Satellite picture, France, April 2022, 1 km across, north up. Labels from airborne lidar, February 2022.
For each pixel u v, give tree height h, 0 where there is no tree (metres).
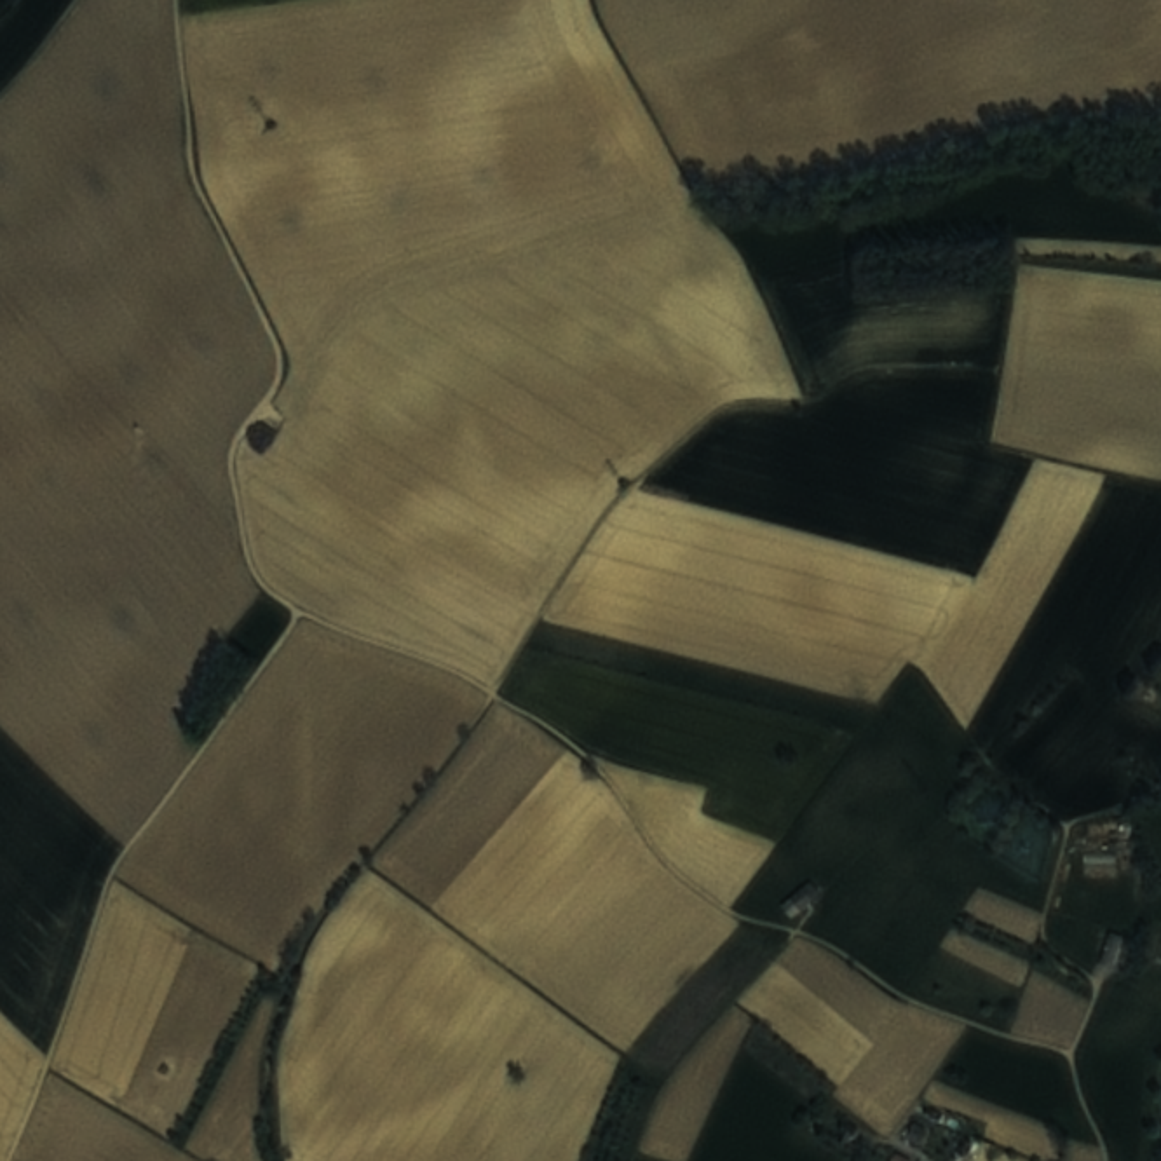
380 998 0
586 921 0
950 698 0
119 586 0
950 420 0
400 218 0
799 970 0
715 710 0
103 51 0
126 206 0
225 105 0
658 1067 0
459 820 0
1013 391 0
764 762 0
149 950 0
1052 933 0
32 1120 0
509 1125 0
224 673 21
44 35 0
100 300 0
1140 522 0
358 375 0
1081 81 0
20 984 0
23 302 0
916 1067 0
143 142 0
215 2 0
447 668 0
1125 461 0
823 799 0
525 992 0
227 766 0
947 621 0
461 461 0
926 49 0
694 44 0
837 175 32
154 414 0
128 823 0
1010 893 0
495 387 0
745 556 0
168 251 0
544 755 0
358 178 0
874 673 0
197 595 0
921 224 0
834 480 0
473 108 0
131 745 0
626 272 0
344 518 0
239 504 0
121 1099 0
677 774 0
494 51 0
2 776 0
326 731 0
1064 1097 0
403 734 0
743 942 0
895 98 0
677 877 0
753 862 0
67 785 0
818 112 0
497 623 0
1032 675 0
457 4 0
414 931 0
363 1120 0
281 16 0
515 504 0
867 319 0
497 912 0
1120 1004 0
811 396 0
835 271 0
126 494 0
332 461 0
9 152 0
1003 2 0
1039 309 0
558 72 0
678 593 0
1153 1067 0
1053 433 0
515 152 0
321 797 0
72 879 0
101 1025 0
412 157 0
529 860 0
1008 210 0
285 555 0
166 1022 0
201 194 0
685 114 0
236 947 0
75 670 0
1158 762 0
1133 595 0
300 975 7
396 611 0
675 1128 0
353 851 0
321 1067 0
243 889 0
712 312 0
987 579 0
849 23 0
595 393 0
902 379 0
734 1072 0
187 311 0
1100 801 0
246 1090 0
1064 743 0
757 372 0
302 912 0
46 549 0
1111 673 0
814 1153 0
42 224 0
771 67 0
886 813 0
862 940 0
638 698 0
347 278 0
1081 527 0
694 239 0
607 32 0
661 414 0
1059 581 0
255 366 0
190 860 0
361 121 0
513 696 0
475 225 0
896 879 0
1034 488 0
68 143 0
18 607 0
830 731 0
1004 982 0
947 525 0
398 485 0
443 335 0
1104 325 0
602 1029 0
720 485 0
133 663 0
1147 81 0
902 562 0
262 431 0
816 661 0
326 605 0
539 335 0
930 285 23
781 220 37
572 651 0
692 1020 0
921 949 0
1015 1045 0
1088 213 0
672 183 0
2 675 0
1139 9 0
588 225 0
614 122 0
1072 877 0
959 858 0
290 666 0
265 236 0
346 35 0
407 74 0
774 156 0
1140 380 0
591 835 0
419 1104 0
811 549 0
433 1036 0
